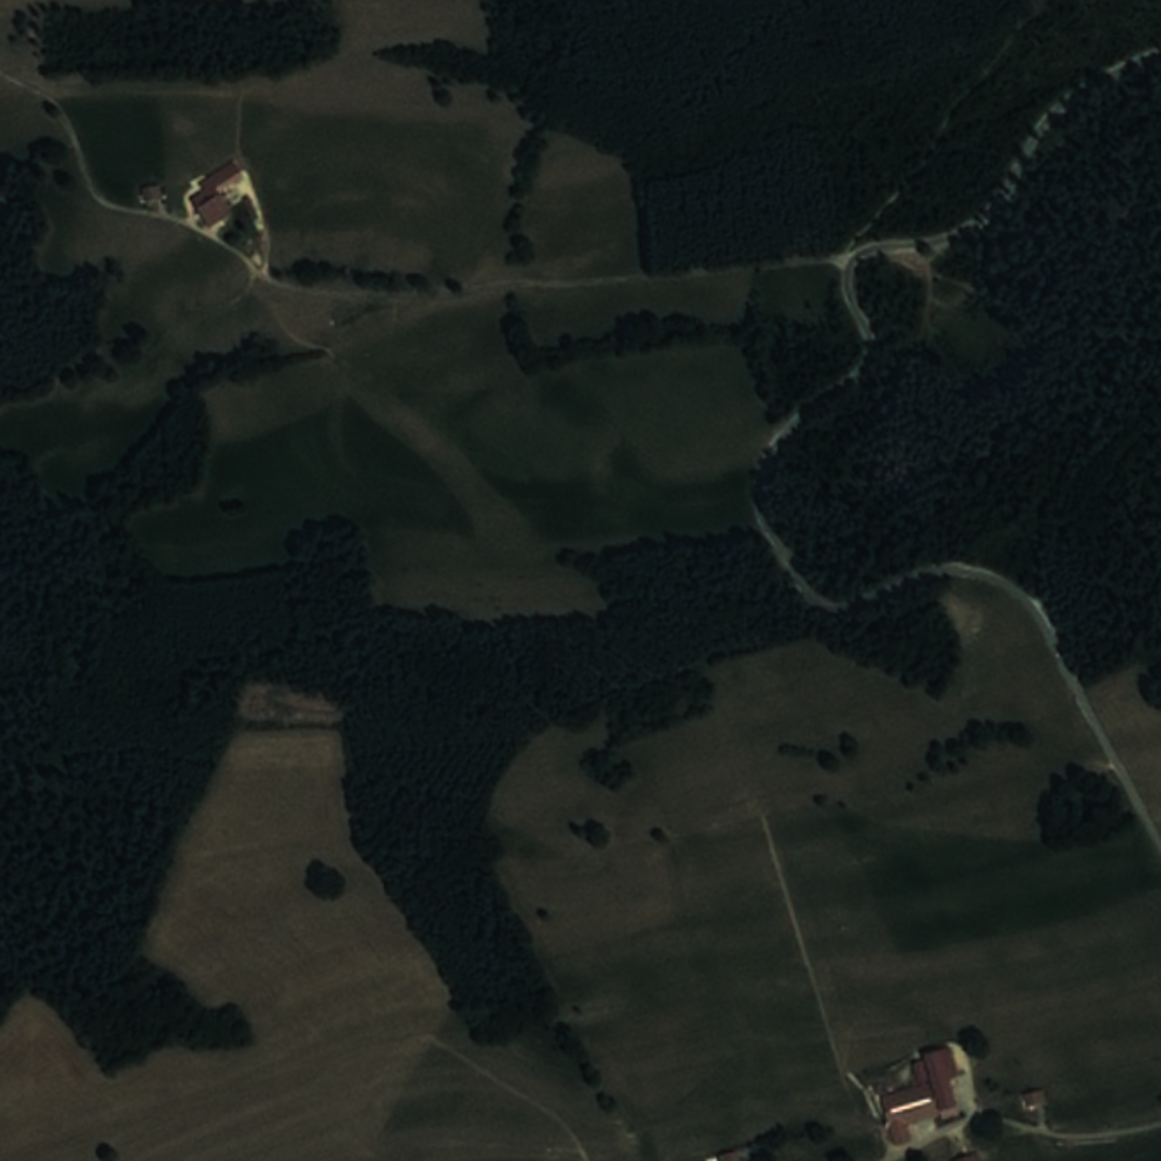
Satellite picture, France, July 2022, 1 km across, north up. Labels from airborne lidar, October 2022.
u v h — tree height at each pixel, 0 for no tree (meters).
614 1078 0
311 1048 0
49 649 23
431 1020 0
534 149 18
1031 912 0
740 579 31
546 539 0
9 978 26
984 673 0
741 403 0
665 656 13
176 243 0
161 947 0
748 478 0
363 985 0
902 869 0
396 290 23
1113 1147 0
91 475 0
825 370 10
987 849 0
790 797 0
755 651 8
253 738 0
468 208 0
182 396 21
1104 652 13
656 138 15
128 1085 0
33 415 0
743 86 17
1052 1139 0
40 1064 0
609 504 0
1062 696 0
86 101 0
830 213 24
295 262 0
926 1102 0
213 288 0
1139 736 0
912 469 10
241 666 18
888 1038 0
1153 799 0
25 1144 0
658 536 0
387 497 0
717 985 0
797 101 9
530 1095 0
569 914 0
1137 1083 0
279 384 0
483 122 0
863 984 0
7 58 0
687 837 0
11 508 25
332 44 11
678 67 22
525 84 9
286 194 0
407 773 16
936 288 0
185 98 0
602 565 16
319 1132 0
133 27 8
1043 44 27
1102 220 8
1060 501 11
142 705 10
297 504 0
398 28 0
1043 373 6
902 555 19
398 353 0
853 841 0
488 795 13
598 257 0
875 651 21
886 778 0
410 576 0
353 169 0
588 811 0
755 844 0
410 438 0
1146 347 16
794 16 18
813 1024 0
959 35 18
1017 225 38
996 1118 16
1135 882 0
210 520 0
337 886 26
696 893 0
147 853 29
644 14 21
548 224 0
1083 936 0
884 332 18
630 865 0
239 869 0
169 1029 18
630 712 18
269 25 21
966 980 0
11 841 32
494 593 0
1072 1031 0
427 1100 0
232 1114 0
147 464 15
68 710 12
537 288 0
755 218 28
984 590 0
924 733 0
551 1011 17
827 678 0
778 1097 0
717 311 0
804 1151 0
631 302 0
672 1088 0
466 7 0
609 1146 0
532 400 0
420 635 23
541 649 21
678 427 0
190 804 15
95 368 24
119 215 0
